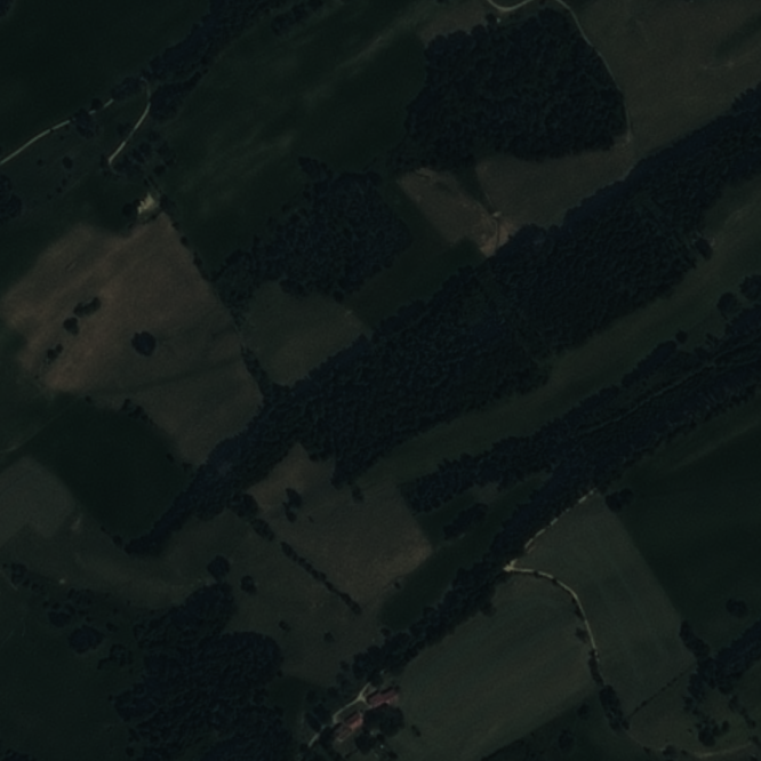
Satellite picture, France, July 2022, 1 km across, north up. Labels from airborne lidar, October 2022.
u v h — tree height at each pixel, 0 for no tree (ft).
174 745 28
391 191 0
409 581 0
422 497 34
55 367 0
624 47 0
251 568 0
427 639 24
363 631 0
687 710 18
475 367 89
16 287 0
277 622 0
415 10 0
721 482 0
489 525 0
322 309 0
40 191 0
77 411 0
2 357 0
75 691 0
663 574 0
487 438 0
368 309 0
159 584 0
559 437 28
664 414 21
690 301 0
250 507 73
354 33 0
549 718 0
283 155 0
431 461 0
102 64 0
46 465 0
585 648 0
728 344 20
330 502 0
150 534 0
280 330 0
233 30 59
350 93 0
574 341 61
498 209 0
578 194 0
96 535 0
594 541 0
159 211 0
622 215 85
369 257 79
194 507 50
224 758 73
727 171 67
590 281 86
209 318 0
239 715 109
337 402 93
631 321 0
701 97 0
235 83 0
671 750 37
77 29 0
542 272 85
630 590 0
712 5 0
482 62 91
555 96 48
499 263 46
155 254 0
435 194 0
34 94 0
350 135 0
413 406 65
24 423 0
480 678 0
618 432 23
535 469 30
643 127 0
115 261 0
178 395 0
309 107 0
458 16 0
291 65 0
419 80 0
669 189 88
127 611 0
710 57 0
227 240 0
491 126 86
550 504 65
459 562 0
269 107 0
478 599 60
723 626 0
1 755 30
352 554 0
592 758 0
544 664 0
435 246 0
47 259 0
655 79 0
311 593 0
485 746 0
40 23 0
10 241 0
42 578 0
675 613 0
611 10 0
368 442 57
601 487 65
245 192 0
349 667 51
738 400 49
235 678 115
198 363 0
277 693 0
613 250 74
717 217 0
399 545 0
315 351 0
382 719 62
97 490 0
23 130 0
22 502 0
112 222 0
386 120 0
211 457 0
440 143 80
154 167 0
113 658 39
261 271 59
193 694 81
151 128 0
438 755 0
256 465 50
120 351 0
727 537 0
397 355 19
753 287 52
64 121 0
